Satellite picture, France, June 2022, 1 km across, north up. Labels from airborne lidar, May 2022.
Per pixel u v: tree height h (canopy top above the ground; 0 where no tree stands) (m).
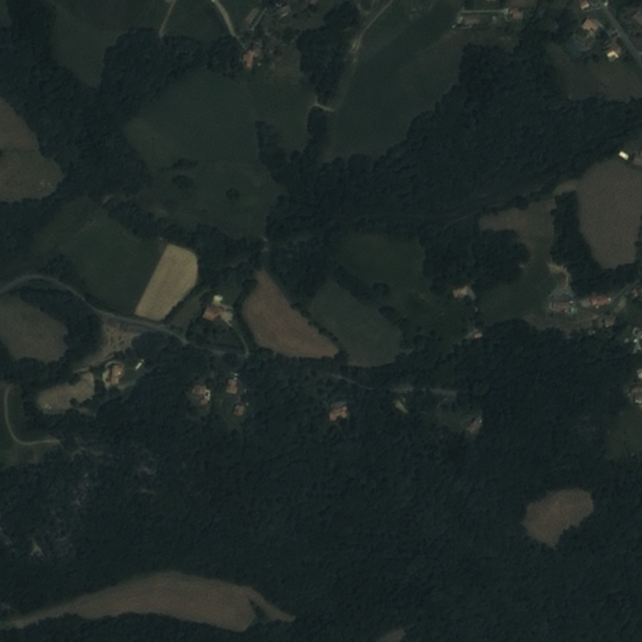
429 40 0
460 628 18
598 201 0
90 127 19
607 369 22
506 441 16
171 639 26
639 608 15
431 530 27
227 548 23
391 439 31
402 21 0
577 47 0
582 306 0
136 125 0
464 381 15
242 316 11
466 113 29
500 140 25
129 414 27
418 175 25
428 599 29
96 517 26
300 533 22
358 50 0
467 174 18
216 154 0
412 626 22
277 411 25
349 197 25
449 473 23
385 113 0
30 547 28
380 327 0
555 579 25
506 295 0
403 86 0
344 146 0
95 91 13
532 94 24
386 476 22
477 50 13
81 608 0
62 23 0
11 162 0
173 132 0
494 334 19
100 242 0
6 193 0
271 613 0
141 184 25
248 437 15
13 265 21
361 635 27
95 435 25
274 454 13
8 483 25
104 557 23
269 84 0
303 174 28
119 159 27
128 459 28
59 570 22
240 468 14
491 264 28
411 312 0
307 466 25
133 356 16
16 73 27
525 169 11
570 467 24
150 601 0
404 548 22
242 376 22
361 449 19
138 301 0
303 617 13
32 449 0
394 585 15
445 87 0
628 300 8
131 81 29
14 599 25
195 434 17
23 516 23
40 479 28
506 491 17
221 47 19
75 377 17
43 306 24
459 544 27
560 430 9
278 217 21
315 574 30
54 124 27
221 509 11
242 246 17
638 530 27
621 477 7
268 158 23
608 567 20
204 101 0
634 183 0
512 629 21
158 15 0
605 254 0
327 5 0
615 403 21
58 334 0
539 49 8
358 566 22
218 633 24
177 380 25
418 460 28
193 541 17
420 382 24
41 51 12
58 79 24
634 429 0
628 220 0
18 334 0
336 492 24
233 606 0
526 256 19
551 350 23
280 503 19
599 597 19
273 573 24
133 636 29
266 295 0
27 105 22
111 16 0
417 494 15
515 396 28
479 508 21
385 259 0
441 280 24
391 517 30
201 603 0
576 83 0
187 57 28
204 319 7
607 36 17
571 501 0
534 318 0
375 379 20
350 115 0
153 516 9
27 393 19
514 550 18
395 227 16
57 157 20
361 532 22
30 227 24
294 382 19
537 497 23
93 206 0
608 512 28
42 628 24
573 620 27
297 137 0
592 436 24
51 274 17
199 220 0
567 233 17
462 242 18
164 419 22
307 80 7
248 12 0
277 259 25
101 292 0
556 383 21
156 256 0
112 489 23
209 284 11
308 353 0
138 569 22
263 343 0
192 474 17
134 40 27
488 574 21
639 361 11
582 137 19
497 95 27
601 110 24
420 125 25
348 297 0
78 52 0
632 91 0
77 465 13
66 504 22
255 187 0
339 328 0
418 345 19
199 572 20
